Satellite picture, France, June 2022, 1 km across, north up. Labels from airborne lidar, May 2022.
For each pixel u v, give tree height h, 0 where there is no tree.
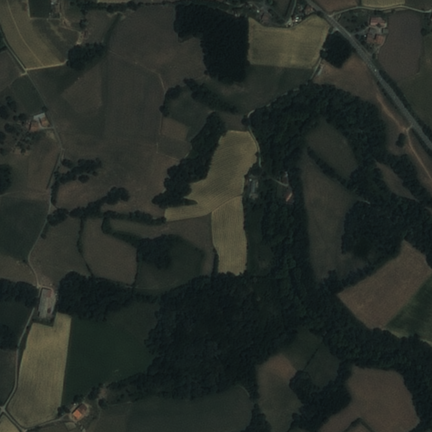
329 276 9
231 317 29
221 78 21
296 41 0
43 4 0
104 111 0
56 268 0
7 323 0
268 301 6
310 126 9
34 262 0
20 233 0
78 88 0
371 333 16
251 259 0
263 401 0
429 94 0
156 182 0
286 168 22
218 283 25
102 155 0
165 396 20
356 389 0
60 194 0
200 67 0
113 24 0
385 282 0
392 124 0
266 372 0
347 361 18
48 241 0
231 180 0
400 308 0
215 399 0
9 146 0
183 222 0
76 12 0
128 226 0
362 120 21
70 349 0
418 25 0
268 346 13
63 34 0
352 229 22
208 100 19
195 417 0
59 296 8
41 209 0
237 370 26
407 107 18
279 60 0
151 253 30
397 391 0
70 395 0
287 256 30
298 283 35
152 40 0
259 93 0
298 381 20
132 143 0
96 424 0
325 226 0
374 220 32
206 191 0
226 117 0
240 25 20
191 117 0
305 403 23
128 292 8
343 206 0
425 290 0
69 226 0
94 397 16
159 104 0
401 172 22
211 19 18
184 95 0
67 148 0
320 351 0
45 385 0
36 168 0
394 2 0
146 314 0
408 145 0
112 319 0
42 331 0
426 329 0
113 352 0
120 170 0
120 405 0
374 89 0
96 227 0
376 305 0
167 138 0
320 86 5
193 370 21
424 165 0
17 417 0
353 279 29
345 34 0
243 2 7
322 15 14
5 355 0
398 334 0
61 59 0
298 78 0
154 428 0
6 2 0
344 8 0
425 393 26
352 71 0
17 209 0
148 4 9
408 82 0
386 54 0
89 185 0
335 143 0
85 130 0
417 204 16
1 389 0
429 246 7
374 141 21
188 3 12
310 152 13
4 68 0
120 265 0
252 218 0
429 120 0
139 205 0
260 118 10
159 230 0
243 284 24
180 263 0
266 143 8
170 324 18
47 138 0
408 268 0
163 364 19
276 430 0
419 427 14
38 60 0
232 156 0
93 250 0
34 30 0
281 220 28
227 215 0
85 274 0
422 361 25
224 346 20
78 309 29
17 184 0
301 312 29
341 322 25
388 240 26
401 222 24
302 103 27
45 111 7
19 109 0
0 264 0
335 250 0
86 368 0
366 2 0
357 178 21
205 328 22
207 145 13
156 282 0
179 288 9
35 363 0
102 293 18
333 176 18
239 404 0
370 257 0
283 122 28
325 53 16
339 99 14
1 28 0
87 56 21
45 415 0
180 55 0
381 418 0
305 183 0
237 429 0
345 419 0
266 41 0
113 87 0
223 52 20
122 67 0
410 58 0
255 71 0
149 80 0
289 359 0
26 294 25
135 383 19
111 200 15
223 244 0
